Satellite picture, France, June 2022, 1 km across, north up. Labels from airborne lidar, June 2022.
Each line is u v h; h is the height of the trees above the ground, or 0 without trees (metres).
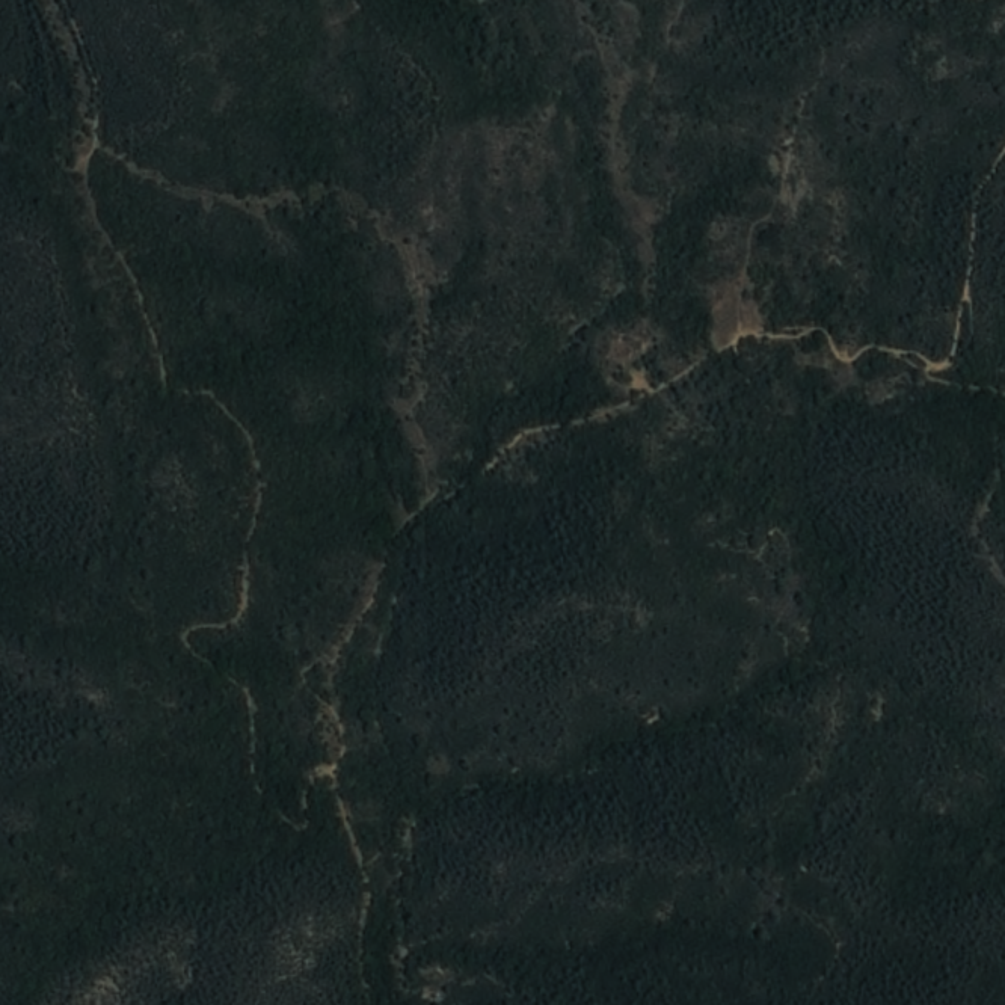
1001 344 9
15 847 15
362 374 8
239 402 6
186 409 6
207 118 6
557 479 9
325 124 12
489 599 14
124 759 6
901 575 13
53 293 7
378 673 7
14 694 7
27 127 8
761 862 10
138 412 7
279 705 13
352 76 6
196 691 8
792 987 8
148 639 9
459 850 11
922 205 6
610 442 8
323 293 13
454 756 6
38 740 13
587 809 6
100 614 7
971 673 13
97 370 13
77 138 7
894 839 13
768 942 10
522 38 6
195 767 12
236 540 7
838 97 11
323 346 15
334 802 9
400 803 7
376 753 7
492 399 9
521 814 11
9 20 10
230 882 8
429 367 10
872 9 13
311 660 16
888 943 10
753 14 8
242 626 6
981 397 14
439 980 0
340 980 11
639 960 9
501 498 6
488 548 11
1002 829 7
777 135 0
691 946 12
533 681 13
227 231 6
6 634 10
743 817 11
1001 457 7
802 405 6
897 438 8
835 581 11
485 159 0
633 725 7
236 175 8
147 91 7
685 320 9
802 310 6
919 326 8
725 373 13
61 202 8
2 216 8
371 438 10
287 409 8
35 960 8
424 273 0
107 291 7
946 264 9
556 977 11
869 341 10
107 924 14
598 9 14
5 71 8
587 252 6
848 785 5
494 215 0
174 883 6
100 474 9
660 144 6
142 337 8
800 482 8
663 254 8
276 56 9
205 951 11
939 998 15
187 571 6
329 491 8
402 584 6
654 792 13
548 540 6
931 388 8
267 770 11
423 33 6
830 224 0
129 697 6
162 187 6
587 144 6
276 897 14
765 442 6
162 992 10
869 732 8
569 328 8
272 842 10
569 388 11
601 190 6
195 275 6
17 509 14
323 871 13
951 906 13
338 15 0
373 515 9
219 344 11
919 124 15
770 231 9
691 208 7
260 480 11
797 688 12
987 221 13
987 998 8
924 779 11
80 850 8
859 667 10
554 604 8
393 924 7
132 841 9
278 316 11
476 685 6
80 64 9
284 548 8
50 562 13
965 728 9
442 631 11
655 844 13
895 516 16
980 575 8
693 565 6
